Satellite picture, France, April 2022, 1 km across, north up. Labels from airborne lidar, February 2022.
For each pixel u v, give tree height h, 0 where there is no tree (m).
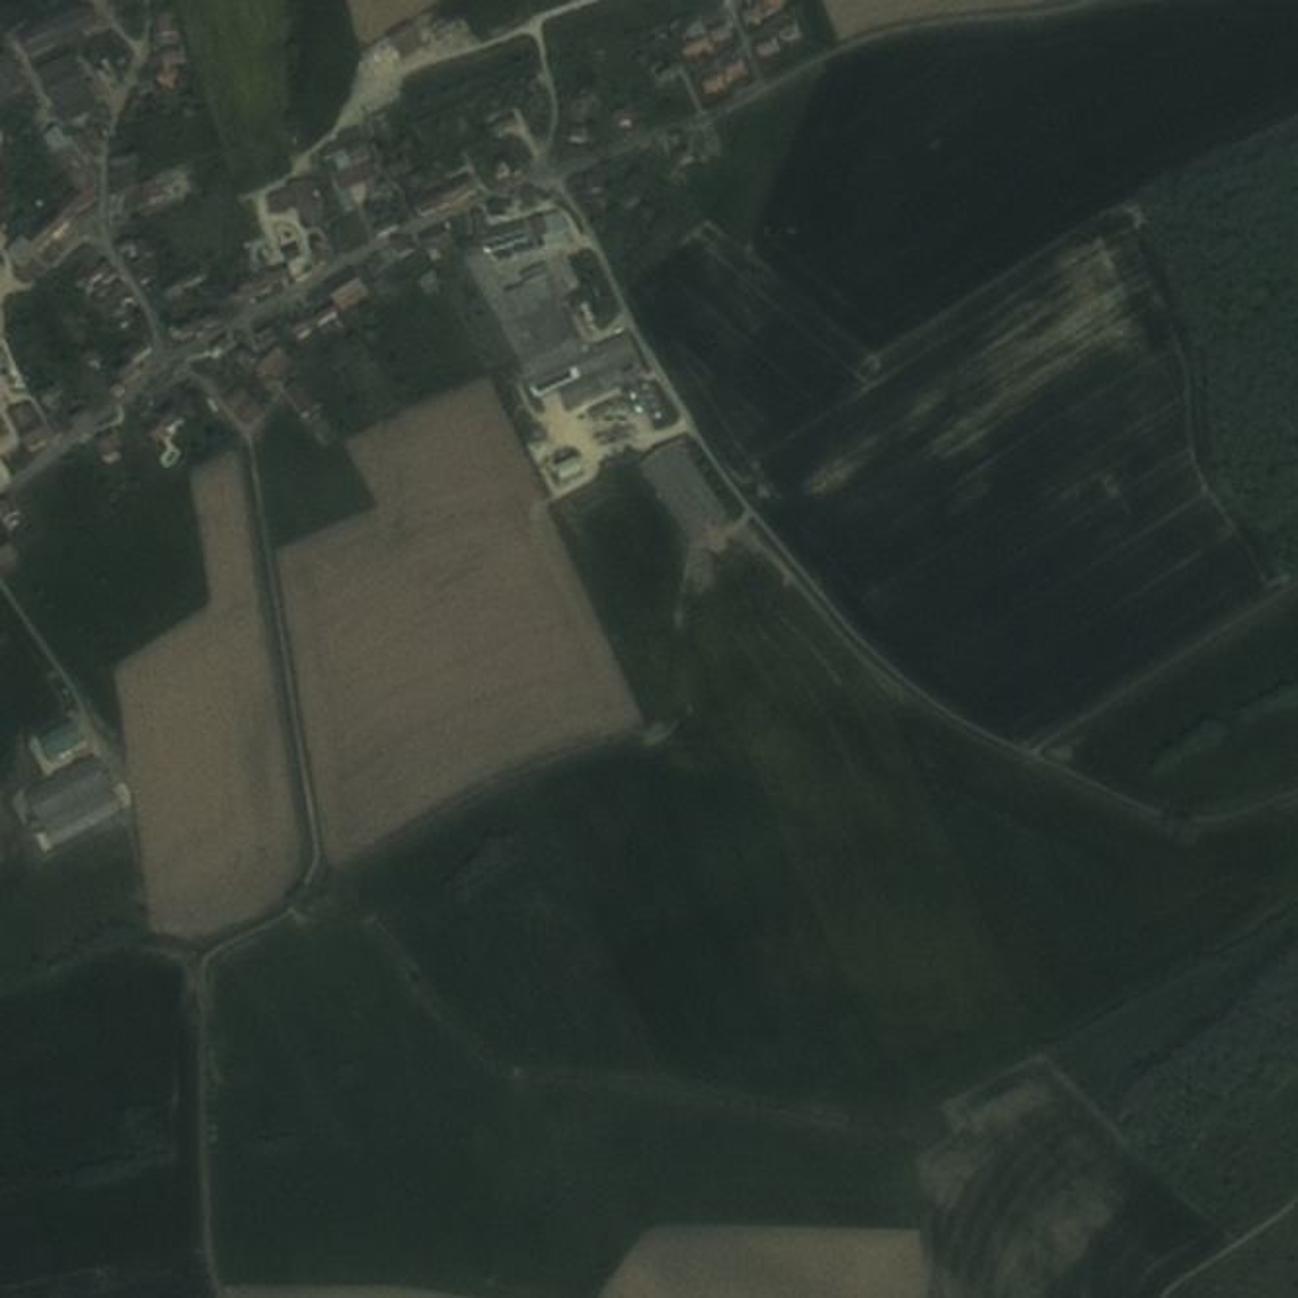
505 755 0
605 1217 0
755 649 0
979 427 0
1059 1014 0
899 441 0
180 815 0
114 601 0
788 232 0
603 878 0
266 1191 0
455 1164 0
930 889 0
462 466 0
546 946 0
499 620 0
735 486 0
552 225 0
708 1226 0
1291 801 0
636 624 0
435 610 0
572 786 0
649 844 0
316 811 0
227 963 0
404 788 0
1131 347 0
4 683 0
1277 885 0
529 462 0
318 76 0
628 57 0
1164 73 0
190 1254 0
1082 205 0
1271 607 0
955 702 0
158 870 0
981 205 0
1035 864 0
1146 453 0
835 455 0
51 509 0
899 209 0
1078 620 0
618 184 7
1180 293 19
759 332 0
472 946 0
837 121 0
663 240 12
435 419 0
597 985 0
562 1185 0
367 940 0
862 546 0
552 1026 0
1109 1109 6
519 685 0
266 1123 0
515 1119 0
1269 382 25
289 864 0
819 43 0
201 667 0
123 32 0
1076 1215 0
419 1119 0
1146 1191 0
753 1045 0
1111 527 0
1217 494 0
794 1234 0
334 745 0
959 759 0
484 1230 0
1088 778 0
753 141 0
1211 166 17
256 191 0
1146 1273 0
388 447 0
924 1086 0
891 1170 0
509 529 0
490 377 0
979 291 0
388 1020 0
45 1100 0
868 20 0
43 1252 0
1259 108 0
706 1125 0
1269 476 20
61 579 0
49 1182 0
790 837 0
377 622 0
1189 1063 19
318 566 0
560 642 0
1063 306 0
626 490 0
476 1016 0
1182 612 0
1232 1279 0
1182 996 0
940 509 0
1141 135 0
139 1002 0
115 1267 0
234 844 0
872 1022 0
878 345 0
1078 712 0
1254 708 8
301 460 0
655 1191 0
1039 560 0
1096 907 0
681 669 0
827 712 0
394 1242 0
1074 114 0
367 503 0
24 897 0
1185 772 0
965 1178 0
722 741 0
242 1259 0
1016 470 0
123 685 0
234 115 0
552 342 0
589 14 0
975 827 0
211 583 0
